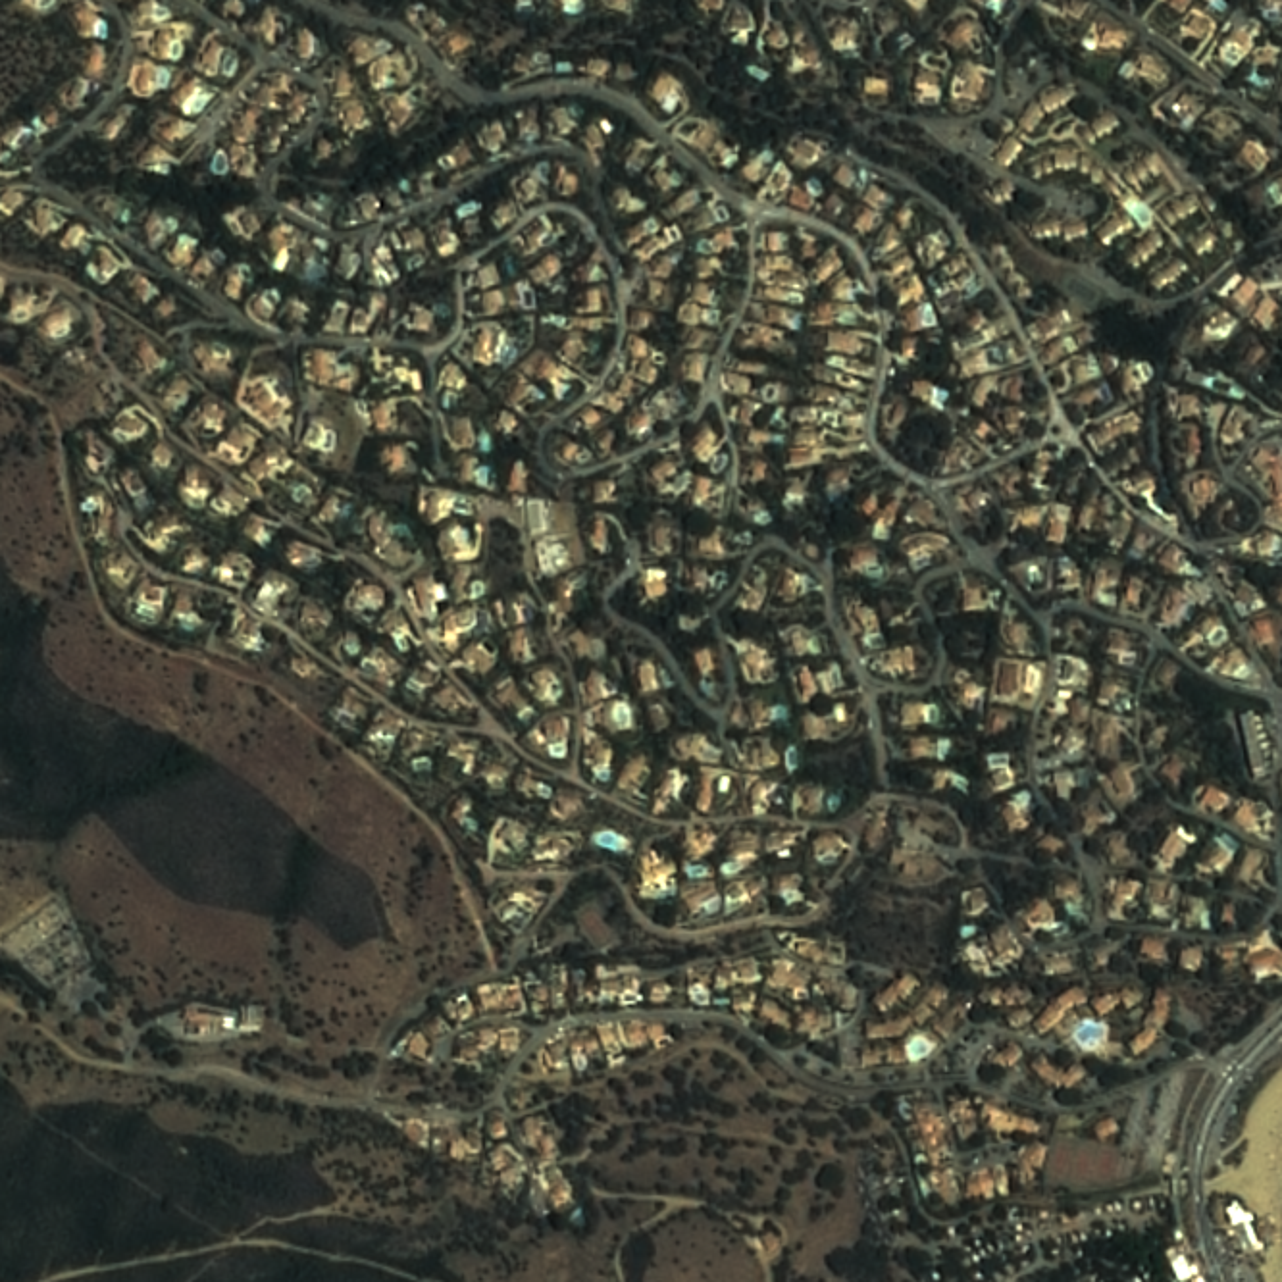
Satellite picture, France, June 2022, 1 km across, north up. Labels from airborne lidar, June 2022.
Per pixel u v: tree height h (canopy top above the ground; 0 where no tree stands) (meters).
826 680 0
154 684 0
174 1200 10
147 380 0
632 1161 7
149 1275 0
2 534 0
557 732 0
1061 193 0
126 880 0
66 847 0
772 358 6
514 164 7
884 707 7
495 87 6
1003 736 10
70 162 7
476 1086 9
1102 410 6
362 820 0
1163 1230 11
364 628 6
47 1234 0
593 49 8
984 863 7
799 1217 0
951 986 11
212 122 0
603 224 6
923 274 6
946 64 6
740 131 10
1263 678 0
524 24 6
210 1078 0
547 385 6
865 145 10
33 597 7
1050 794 6
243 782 0
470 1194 0
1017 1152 8
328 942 0
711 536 13
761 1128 0
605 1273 5
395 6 6
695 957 9
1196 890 12
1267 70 10
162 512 6
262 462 0
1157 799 9
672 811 6
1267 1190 0
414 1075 6
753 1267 0
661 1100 9
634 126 9
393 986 0
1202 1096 0
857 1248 7
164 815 0
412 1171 6
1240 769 8
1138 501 11
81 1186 6
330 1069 8
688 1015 0
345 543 6
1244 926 13
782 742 10
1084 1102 10
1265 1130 0
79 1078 0
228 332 10
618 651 9
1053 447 6
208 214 9
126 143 6
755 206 0
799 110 9
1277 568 10
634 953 7
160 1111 0
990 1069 11
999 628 6
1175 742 8
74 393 0
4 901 0
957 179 8
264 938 0
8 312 6
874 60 9
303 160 7
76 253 7
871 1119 9
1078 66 10
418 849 7
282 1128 0
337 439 0
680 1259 0
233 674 0
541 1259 0
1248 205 14
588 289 8
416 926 0
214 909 0
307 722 0
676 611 10
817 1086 0
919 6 0
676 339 8
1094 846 13
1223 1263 0
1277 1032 0
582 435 8
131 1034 0
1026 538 15
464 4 8
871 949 7
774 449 13
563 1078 0
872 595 9
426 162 8
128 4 6
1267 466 0
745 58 9
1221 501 9
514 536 8
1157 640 0
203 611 8
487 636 8
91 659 0
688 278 8
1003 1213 8
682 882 8
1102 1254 9
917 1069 0
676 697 14
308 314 7
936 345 14
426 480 7
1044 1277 7
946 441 15
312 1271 6
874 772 6
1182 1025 10
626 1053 7
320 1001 0
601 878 6
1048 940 11
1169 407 8
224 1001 7
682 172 8
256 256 5
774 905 9
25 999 8
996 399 11
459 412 10
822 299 9
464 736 7
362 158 6
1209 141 9
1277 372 9
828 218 6
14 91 6
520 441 15
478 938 0
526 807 7
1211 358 10
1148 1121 0
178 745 6
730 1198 9
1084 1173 0
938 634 10
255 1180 6
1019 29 6
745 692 6
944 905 7
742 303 0
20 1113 0
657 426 7
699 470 9
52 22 7
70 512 0
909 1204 6
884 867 7
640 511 11
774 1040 11
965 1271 9
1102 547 9
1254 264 8
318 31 10
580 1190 11
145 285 0
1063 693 0
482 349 0
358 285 10
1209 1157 0
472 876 6
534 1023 7
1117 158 9
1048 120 0
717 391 0
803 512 13
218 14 5
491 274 0
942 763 8
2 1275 5
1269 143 8
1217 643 0
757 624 21
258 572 6
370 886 0
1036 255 0
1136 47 7
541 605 7
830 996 7
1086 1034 0
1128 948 7
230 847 0
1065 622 8
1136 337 13
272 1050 7
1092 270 0
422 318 0
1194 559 6
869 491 6
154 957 0
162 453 0
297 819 0
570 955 14
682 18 9
